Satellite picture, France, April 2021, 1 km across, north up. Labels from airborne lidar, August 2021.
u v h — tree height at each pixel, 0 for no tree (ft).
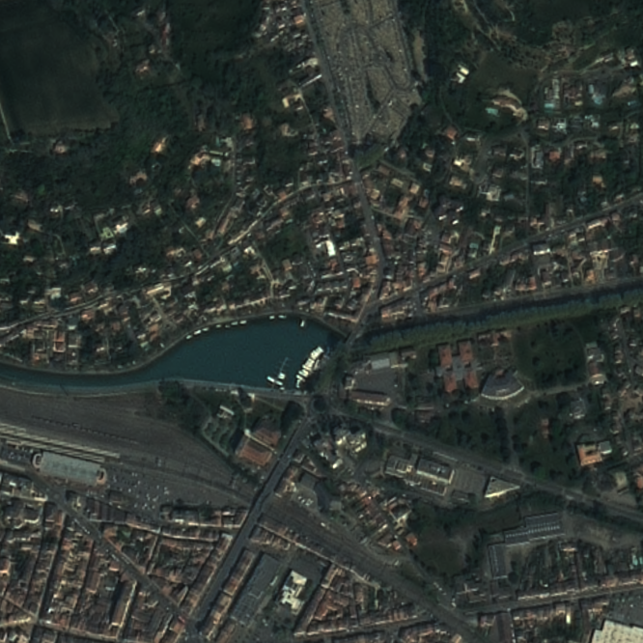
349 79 0
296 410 40
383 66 0
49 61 0
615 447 41
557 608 0
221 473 0
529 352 0
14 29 0
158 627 0
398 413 41
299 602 0
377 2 0
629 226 42
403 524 53
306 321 0
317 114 43
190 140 0
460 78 0
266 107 45
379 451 19
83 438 0
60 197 25
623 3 33
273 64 42
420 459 0
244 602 0
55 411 0
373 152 93
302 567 0
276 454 0
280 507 0
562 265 35
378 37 0
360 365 0
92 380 0
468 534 0
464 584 0
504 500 30
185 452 0
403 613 0
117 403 0
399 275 0
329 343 0
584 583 0
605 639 0
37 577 0
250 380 0
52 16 0
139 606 0
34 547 0
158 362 0
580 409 0
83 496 0
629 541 0
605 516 69
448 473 0
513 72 0
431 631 0
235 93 31
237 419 27
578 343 0
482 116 0
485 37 40
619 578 0
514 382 0
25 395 0
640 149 26
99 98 0
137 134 47
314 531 0
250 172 35
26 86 0
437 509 36
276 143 22
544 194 24
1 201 52
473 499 35
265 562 0
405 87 0
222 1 0
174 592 0
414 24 28
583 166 60
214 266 24
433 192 23
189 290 0
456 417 56
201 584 0
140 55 51
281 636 56
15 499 0
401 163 35
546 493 31
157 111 26
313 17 25
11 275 26
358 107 0
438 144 31
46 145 35
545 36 24
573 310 93
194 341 0
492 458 0
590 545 21
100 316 29
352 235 32
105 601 0
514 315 93
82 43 0
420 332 99
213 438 26
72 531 0
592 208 31
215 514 0
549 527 0
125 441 0
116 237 18
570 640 25
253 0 22
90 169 33
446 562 0
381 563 0
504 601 0
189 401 69
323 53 0
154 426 0
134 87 53
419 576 0
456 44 39
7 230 68
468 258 36
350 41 0
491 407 0
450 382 0
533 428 41
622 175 47
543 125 0
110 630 0
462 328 82
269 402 0
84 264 52
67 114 0
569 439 49
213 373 0
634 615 0
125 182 37
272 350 0
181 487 0
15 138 52
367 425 31
